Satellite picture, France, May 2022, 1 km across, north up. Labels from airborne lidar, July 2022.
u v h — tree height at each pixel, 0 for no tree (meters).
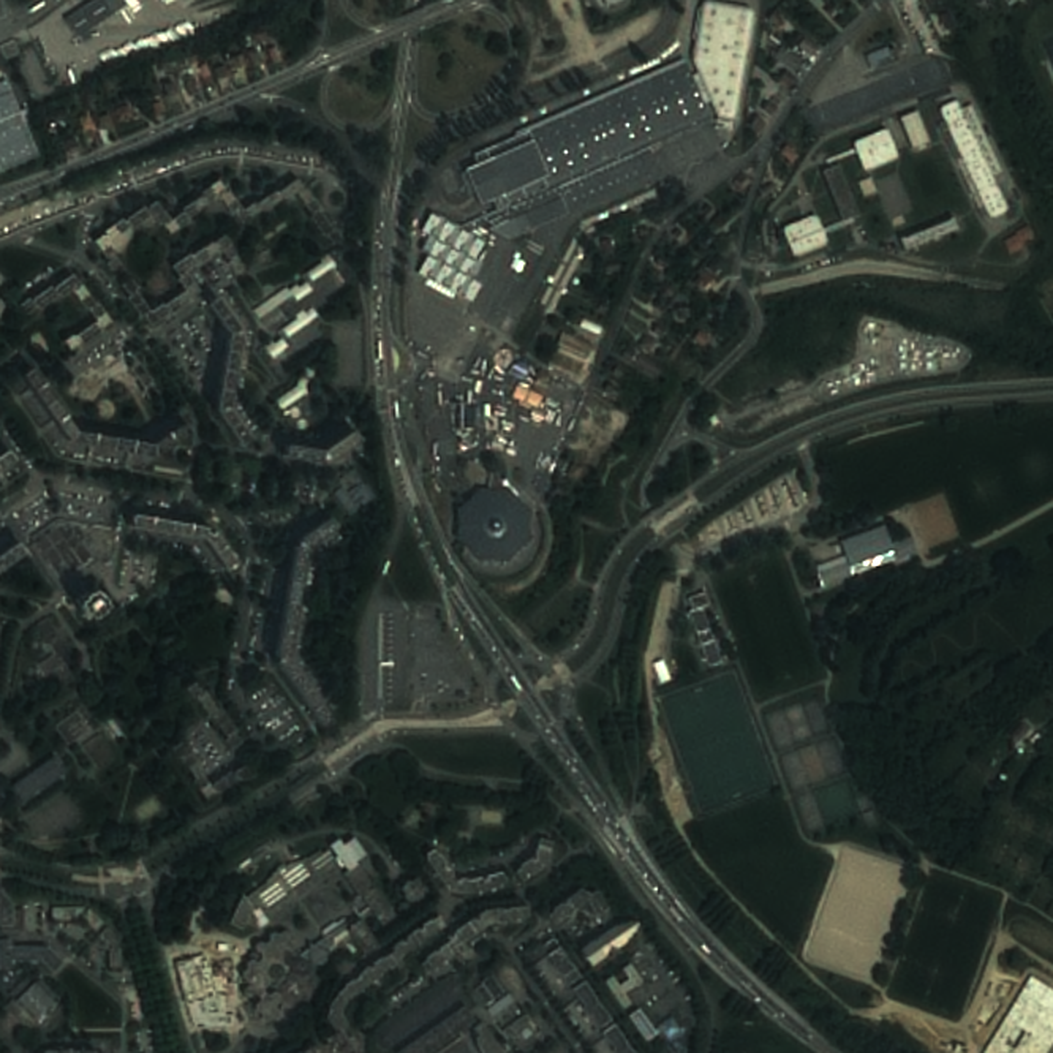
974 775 0
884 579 19
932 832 23
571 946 9
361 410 20
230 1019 0
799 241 0
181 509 15
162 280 0
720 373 0
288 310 0
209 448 9
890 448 0
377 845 0
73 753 10
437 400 0
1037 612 0
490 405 0
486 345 0
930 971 0
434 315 0
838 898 0
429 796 13
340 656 16
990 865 0
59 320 23
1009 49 8
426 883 10
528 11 0
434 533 0
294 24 14
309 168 0
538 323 0
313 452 0
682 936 0
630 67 0
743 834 0
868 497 0
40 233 0
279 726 0
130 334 0
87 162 0
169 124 0
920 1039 0
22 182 0
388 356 0
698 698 0
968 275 0
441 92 0
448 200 0
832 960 0
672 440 0
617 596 0
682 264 7
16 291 18
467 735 0
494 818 0
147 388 0
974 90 0
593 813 0
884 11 0
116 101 7
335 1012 0
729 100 0
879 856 0
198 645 0
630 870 0
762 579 0
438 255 0
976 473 0
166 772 16
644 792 7
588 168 0
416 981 5
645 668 0
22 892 14
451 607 0
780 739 0
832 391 0
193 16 0
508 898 10
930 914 0
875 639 13
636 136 0
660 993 0
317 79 0
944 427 12
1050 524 0
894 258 0
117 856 13
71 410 0
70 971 0
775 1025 0
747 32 0
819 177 0
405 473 0
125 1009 0
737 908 11
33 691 15
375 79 11
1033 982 0
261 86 0
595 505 15
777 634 0
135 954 13
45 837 0
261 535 19
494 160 0
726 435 0
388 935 23
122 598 0
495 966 6
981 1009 0
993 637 0
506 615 0
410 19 0
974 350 9
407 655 0
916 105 0
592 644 0
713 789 0
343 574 23
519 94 0
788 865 0
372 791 6
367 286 15
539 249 0
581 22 0
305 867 0
